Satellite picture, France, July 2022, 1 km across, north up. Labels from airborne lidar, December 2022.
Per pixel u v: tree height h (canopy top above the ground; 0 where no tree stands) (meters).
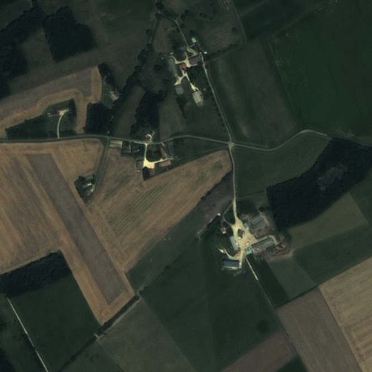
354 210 0
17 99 0
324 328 0
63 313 0
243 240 0
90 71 0
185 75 0
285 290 0
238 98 0
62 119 0
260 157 0
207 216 0
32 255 0
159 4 14
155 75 0
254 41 0
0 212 0
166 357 0
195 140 0
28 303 0
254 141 0
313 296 0
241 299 0
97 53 0
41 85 0
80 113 0
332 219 0
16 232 0
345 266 0
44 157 0
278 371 0
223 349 0
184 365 0
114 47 0
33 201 0
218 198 0
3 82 22
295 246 0
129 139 0
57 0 0
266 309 0
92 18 0
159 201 0
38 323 0
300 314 0
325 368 0
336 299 0
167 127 0
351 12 0
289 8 0
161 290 0
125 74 0
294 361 0
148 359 0
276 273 0
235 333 0
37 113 0
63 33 21
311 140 0
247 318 0
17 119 0
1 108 0
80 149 0
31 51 0
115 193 0
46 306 0
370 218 0
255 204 0
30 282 23
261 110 0
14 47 16
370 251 0
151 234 0
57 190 0
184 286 0
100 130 9
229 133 0
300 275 0
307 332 0
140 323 0
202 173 0
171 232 0
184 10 0
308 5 0
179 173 0
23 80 0
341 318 0
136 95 0
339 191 14
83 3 0
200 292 0
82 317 0
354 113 0
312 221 0
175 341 0
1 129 0
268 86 0
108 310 0
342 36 0
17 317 0
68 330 0
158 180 0
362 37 0
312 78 0
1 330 12
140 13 0
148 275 0
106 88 0
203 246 0
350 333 0
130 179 0
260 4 0
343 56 0
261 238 0
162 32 0
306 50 0
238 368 0
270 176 0
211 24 0
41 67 0
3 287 19
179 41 0
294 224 10
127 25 0
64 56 16
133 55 0
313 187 15
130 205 0
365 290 0
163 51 0
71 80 0
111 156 0
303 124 0
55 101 0
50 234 0
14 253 0
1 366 12
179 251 0
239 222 0
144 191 0
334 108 0
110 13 0
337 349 0
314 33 0
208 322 0
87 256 0
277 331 0
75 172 0
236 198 0
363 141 0
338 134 0
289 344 0
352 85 0
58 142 0
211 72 0
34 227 0
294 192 15
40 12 22
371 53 0
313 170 13
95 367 0
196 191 0
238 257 0
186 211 0
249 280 0
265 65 0
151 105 17
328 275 0
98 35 0
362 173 12
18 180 0
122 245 0
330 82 0
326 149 9
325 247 0
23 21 23
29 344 13
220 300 0
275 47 0
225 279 0
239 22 0
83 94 0
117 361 0
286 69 0
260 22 0
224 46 0
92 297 0
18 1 0
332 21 0
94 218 0
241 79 0
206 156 0
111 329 0
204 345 0
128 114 0
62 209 0
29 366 0
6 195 0
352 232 0
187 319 0
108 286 0
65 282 0
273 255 0
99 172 0
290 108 0
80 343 0
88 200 0
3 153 0
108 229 0
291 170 0
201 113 0
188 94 0
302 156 0
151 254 0
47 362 0
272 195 11
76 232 0
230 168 0
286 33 0
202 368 0
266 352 0
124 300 0
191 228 0
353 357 0
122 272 0
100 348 0
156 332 0
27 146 0
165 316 0
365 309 0
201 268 0
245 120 0
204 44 0
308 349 0
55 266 19
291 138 0
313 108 0
